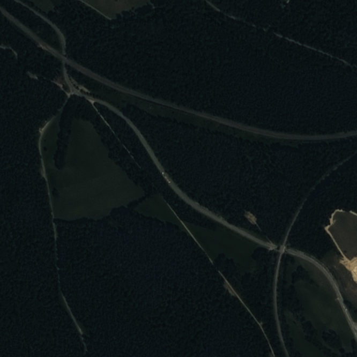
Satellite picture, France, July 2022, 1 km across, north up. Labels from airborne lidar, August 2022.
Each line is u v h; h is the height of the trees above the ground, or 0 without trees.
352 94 22
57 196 14
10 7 21
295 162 25
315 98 26
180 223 0
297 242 18
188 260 37
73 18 20
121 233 30
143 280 35
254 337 15
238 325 27
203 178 32
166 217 0
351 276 0
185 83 9
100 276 29
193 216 23
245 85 21
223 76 25
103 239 32
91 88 7
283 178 33
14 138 28
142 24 22
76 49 9
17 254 30
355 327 0
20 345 25
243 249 0
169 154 26
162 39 22
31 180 27
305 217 23
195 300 11
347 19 19
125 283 24
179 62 22
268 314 10
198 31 19
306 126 17
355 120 23
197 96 25
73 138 0
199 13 26
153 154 0
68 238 31
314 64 23
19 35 24
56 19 16
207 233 0
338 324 0
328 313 0
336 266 0
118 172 0
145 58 19
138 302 26
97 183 0
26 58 24
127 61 20
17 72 27
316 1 21
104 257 30
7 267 24
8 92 30
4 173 30
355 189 24
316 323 0
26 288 26
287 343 15
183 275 33
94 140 0
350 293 0
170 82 20
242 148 32
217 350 31
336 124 23
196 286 29
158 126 24
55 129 0
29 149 30
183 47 21
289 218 7
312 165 19
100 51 21
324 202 19
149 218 13
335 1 16
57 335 28
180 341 18
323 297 0
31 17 19
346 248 0
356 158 23
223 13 19
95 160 0
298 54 19
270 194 30
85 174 0
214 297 16
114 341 31
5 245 33
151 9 22
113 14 0
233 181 28
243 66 26
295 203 34
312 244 21
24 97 29
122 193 0
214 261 0
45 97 30
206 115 0
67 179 0
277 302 10
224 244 0
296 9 13
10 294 27
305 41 13
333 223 0
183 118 0
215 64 20
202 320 22
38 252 28
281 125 22
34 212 20
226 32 23
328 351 13
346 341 0
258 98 20
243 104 22
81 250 28
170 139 26
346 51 19
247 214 0
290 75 28
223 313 20
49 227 23
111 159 16
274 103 28
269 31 21
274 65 21
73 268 25
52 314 30
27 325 28
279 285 14
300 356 20
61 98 25
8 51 21
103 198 0
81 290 23
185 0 20
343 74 24
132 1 0
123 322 28
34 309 24
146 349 27
